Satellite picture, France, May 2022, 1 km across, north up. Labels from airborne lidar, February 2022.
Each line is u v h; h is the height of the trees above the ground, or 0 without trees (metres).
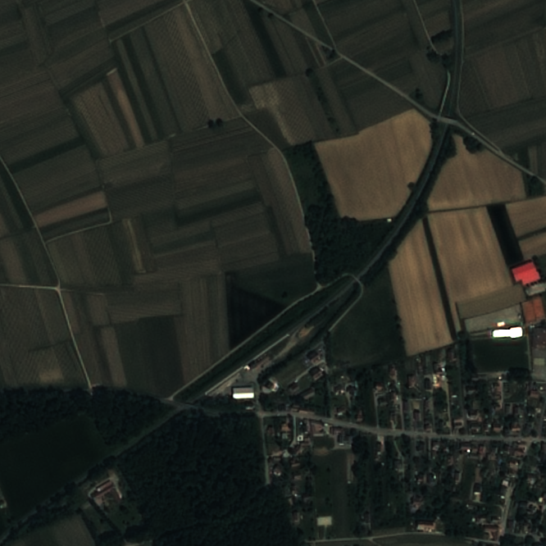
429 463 16
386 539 0
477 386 7
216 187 0
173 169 0
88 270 0
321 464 0
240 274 0
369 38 0
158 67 0
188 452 30
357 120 0
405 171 0
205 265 0
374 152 0
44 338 0
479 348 0
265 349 0
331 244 15
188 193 0
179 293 0
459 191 0
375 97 0
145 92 0
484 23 0
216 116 0
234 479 22
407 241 0
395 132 0
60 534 0
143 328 0
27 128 0
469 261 0
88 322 0
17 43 0
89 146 0
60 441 0
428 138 0
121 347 0
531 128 0
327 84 0
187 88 0
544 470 15
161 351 0
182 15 0
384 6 0
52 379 0
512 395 0
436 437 0
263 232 0
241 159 0
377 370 9
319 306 0
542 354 0
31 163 0
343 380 0
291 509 6
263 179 0
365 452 16
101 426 21
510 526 0
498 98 0
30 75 0
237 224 0
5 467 0
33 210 0
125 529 0
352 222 13
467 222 0
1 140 0
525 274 0
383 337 0
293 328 0
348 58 0
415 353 0
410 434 0
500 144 0
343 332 0
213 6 0
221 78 0
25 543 0
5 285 0
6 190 0
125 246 0
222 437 29
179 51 0
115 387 0
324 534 0
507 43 0
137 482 15
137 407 25
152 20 0
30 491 0
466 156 0
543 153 0
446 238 0
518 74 0
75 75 0
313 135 0
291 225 0
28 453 0
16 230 0
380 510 11
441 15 0
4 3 0
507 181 0
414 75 0
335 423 0
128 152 0
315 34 0
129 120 0
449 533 12
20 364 0
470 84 0
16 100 0
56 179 0
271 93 0
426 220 0
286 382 0
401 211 0
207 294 0
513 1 0
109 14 0
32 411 22
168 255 0
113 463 15
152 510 15
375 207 0
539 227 0
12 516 0
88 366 0
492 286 0
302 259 0
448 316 0
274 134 0
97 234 0
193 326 0
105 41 0
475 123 0
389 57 0
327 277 18
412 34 0
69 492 21
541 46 0
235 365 0
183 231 0
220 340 0
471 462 0
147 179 0
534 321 0
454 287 0
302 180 0
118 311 0
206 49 0
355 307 0
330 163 0
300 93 0
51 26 0
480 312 0
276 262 0
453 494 7
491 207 0
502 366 0
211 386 0
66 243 0
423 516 11
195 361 0
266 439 0
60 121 0
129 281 0
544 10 0
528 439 0
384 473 12
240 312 0
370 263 0
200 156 0
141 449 12
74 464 0
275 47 0
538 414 0
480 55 0
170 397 0
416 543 0
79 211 0
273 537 25
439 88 0
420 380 0
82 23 0
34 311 0
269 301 0
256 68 0
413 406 0
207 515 30
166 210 0
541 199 0
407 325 0
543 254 0
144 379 0
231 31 0
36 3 0
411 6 0
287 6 0
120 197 0
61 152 0
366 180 0
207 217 0
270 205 0
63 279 0
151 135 0
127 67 0
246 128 0
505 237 0
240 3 0
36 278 0
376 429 0
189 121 0
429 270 0
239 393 0
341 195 0
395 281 0
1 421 21
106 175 0
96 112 0
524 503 0
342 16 0
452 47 0
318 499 0
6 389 0
